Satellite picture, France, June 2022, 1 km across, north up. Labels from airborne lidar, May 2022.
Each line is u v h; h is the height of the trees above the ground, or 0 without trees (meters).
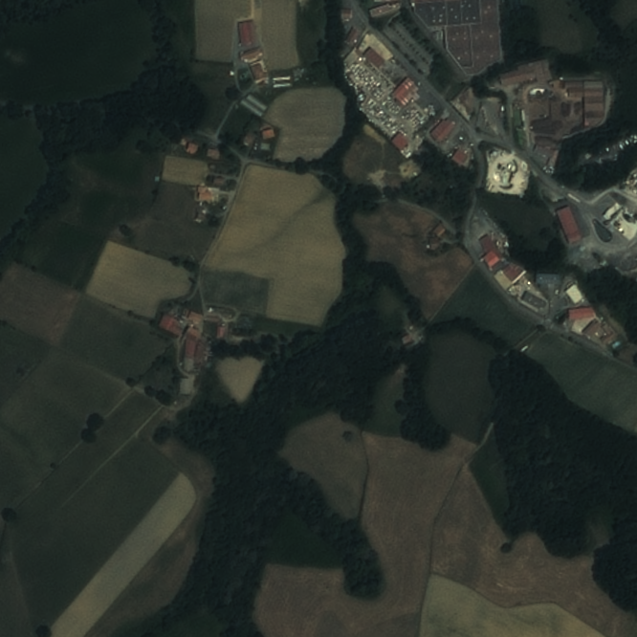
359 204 16
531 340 0
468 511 0
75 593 0
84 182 0
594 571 11
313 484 15
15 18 19
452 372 0
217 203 0
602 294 11
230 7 0
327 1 15
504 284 0
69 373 0
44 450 0
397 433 0
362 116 17
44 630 18
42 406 0
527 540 0
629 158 16
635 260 0
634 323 11
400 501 0
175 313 0
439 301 0
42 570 0
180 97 27
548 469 23
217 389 0
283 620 0
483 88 16
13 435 0
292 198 0
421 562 0
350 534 8
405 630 0
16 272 0
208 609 12
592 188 17
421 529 0
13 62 0
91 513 0
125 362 0
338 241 0
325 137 0
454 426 0
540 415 20
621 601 24
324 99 0
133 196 0
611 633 0
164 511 0
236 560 23
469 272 0
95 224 0
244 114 0
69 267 0
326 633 0
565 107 0
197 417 6
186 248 0
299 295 0
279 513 14
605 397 0
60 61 0
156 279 0
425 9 0
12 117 23
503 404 12
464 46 0
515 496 10
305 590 0
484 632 0
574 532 11
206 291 0
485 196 12
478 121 0
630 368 0
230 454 15
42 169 0
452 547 0
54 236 0
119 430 0
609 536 0
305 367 27
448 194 11
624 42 18
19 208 0
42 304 0
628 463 18
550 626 0
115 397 0
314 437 0
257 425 24
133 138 0
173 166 0
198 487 0
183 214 0
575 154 10
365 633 0
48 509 0
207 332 0
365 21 0
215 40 0
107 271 0
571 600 0
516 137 0
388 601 0
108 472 0
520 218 0
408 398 13
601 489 21
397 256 0
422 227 0
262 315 0
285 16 0
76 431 0
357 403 15
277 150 0
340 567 0
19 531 0
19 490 0
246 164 0
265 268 0
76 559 0
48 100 0
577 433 18
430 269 0
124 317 0
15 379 0
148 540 0
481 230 0
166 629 6
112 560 0
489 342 9
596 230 0
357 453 0
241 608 14
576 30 0
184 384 0
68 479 0
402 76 0
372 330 25
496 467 0
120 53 0
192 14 0
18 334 0
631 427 0
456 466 0
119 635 0
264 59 0
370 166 0
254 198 0
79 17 0
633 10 0
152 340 0
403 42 0
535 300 0
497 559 0
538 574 0
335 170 12
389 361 19
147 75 18
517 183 0
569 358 0
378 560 10
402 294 12
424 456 0
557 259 14
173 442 0
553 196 0
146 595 0
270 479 20
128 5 0
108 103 18
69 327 0
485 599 0
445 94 0
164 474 0
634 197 0
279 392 26
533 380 22
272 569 0
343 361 23
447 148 0
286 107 0
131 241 0
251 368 0
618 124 11
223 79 0
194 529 0
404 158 0
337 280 0
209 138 0
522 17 11
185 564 0
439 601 0
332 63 19
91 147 22
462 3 0
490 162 0
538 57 20
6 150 0
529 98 0
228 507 15
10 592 0
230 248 0
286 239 0
